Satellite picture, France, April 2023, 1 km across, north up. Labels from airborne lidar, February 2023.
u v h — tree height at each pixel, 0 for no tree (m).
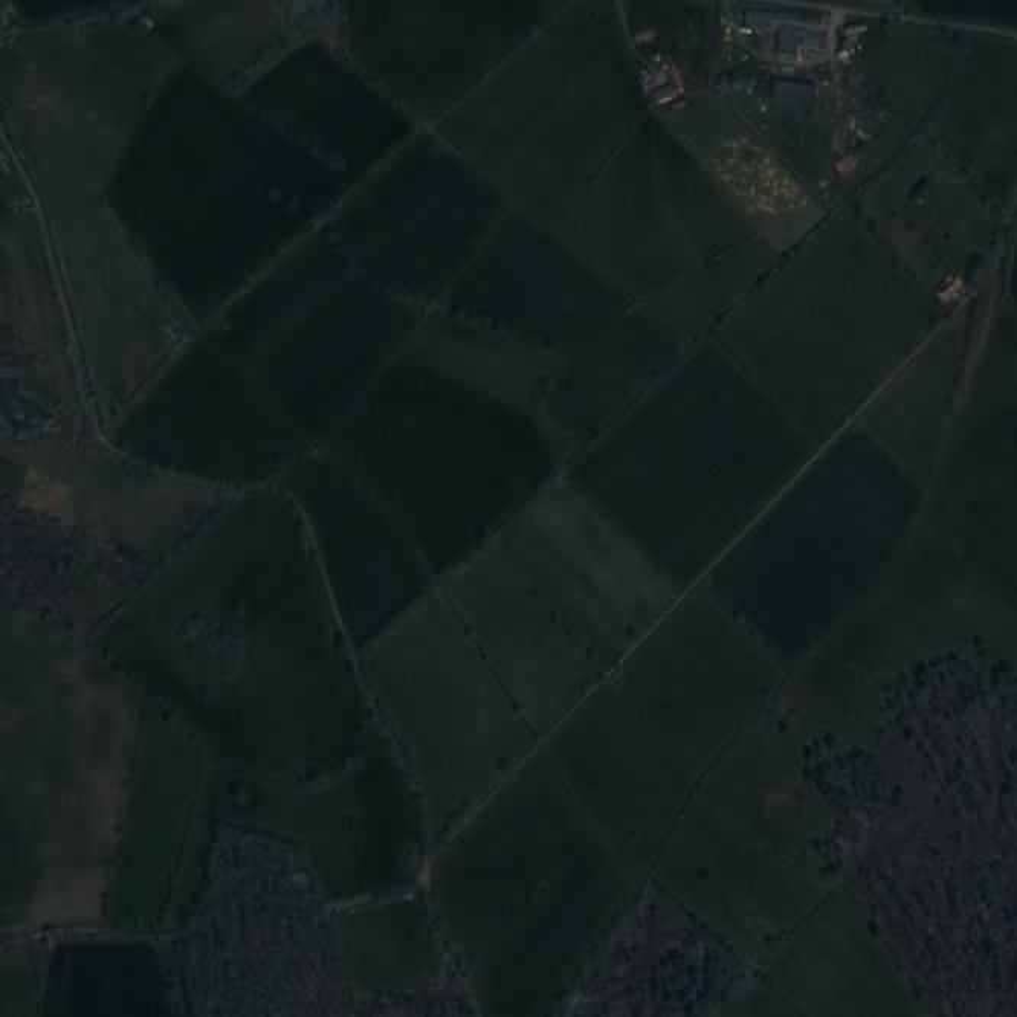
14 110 0
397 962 0
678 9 0
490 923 0
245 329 0
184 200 0
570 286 0
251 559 0
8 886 0
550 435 0
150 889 0
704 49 0
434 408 0
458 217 0
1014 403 0
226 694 0
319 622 0
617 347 0
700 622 0
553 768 0
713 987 16
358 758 18
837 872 13
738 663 0
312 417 0
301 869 11
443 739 0
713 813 0
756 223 0
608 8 0
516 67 0
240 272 0
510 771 14
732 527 0
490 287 0
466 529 0
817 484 0
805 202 0
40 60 0
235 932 23
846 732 0
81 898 0
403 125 0
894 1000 0
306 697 0
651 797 0
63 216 0
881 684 0
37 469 0
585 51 0
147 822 0
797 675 0
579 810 0
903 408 0
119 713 0
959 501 0
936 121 0
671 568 0
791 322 0
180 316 8
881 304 0
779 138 0
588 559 0
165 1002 0
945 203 0
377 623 0
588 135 0
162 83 0
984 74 0
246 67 0
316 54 0
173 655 0
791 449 0
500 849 0
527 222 0
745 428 0
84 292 0
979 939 22
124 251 0
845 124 0
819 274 0
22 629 0
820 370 0
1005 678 13
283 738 0
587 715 0
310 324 0
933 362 0
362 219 0
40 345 0
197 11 0
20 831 0
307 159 0
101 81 0
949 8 0
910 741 16
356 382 0
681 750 0
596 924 0
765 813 0
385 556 0
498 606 0
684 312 0
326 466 0
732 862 0
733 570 0
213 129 0
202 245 0
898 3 7
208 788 0
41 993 10
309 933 22
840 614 0
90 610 0
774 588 0
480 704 0
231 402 0
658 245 0
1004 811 12
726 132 0
